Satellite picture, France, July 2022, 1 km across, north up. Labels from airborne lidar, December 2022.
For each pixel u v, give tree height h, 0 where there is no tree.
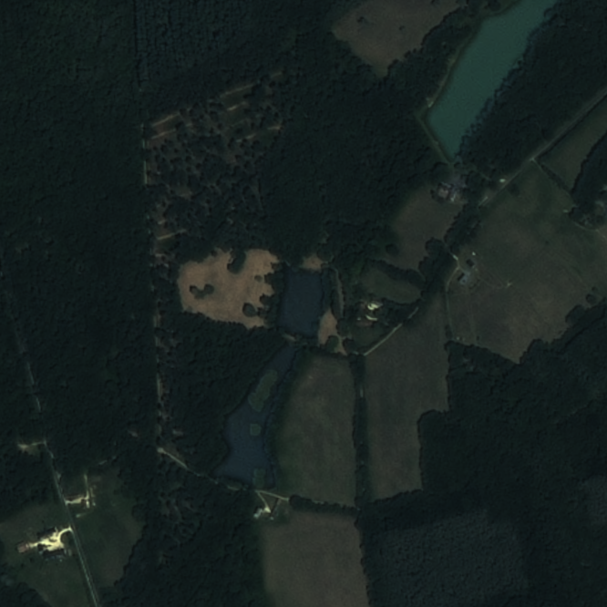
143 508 10
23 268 25
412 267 0
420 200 0
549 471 21
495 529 26
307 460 0
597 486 28
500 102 20
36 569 0
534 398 17
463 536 27
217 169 25
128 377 25
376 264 18
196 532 23
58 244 23
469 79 0
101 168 26
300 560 0
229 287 0
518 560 22
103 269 21
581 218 10
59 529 0
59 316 15
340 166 24
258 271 0
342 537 0
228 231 25
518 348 0
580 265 0
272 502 0
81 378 21
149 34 33
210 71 22
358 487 7
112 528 0
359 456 7
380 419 0
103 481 0
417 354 0
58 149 16
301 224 22
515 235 0
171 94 16
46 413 13
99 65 9
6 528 0
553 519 19
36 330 22
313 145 21
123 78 7
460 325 0
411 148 19
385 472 0
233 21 31
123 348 23
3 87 11
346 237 18
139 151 19
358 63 19
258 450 0
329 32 17
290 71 20
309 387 0
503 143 20
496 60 0
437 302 0
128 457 16
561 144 14
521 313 0
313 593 0
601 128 0
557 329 0
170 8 34
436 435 17
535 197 0
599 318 9
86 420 14
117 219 21
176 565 19
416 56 21
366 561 12
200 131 23
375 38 0
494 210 0
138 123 10
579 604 12
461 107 0
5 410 28
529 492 23
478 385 21
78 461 18
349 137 23
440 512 20
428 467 15
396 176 18
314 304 0
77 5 11
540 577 19
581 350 24
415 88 22
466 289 0
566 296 0
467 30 9
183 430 26
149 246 21
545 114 23
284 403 7
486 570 22
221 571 17
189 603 11
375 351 0
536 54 19
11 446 23
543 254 0
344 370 0
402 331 0
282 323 0
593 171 23
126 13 16
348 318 13
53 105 23
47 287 22
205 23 36
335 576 0
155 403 20
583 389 22
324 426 0
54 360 21
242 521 9
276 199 23
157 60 34
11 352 16
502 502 23
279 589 0
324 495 0
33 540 0
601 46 20
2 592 22
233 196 26
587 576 19
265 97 25
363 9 0
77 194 22
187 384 26
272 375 0
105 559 0
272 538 0
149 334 24
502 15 0
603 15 22
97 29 9
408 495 13
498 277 0
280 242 21
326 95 21
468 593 22
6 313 22
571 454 14
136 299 19
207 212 26
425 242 0
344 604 0
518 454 21
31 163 23
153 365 24
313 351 12
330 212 19
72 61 16
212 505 22
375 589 10
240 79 22
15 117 10
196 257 22
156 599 24
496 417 23
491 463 19
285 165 25
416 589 21
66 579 0
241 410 0
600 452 7
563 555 20
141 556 21
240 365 21
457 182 0
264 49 24
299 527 0
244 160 20
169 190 25
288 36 24
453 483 18
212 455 14
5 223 18
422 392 0
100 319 15
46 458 20
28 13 15
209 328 19
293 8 22
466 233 13
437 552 26
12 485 20
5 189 15
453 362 18
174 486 28
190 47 37
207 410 23
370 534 17
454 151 0
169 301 23
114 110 20
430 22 0
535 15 0
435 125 0
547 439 17
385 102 27
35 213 23
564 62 27
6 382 21
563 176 0
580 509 22
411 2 0
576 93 17
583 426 9
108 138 20
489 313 0
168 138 0
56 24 8
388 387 0
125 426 15
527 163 0
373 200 16
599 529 14
